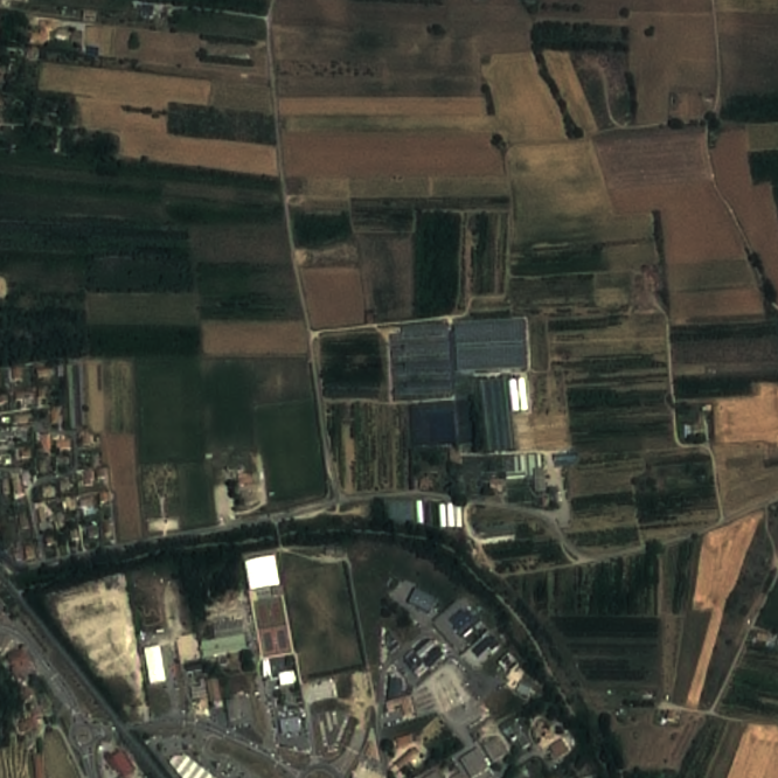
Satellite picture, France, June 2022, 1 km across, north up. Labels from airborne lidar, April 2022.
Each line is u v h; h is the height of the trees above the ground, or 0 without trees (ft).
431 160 0
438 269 24
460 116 0
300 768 0
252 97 0
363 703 0
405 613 17
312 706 0
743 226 0
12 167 0
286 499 0
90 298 0
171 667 0
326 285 0
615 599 24
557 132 0
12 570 0
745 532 0
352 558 0
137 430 0
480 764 0
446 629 0
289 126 0
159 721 0
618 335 0
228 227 0
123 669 0
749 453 0
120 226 20
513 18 0
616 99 0
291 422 0
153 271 0
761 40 0
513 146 0
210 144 0
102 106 0
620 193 0
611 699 0
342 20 0
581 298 0
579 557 0
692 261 0
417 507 0
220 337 0
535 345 0
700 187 0
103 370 0
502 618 31
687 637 0
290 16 0
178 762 0
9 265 0
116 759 0
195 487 0
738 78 0
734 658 0
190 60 0
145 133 0
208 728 0
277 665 0
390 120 0
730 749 0
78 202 0
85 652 0
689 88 0
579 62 0
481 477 0
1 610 0
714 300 0
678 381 22
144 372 0
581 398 23
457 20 0
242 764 0
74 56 33
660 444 0
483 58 0
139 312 0
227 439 0
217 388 0
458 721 0
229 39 30
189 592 36
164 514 0
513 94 0
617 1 0
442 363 0
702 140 0
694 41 0
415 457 22
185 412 0
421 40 0
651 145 0
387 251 0
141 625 0
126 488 0
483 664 0
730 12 0
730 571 0
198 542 44
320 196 0
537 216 0
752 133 0
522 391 0
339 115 0
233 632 0
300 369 0
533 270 0
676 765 0
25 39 44
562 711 37
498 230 0
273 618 0
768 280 32
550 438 0
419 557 39
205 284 0
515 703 0
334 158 0
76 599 0
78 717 0
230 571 38
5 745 31
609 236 0
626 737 0
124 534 0
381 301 0
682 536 0
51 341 37
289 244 0
